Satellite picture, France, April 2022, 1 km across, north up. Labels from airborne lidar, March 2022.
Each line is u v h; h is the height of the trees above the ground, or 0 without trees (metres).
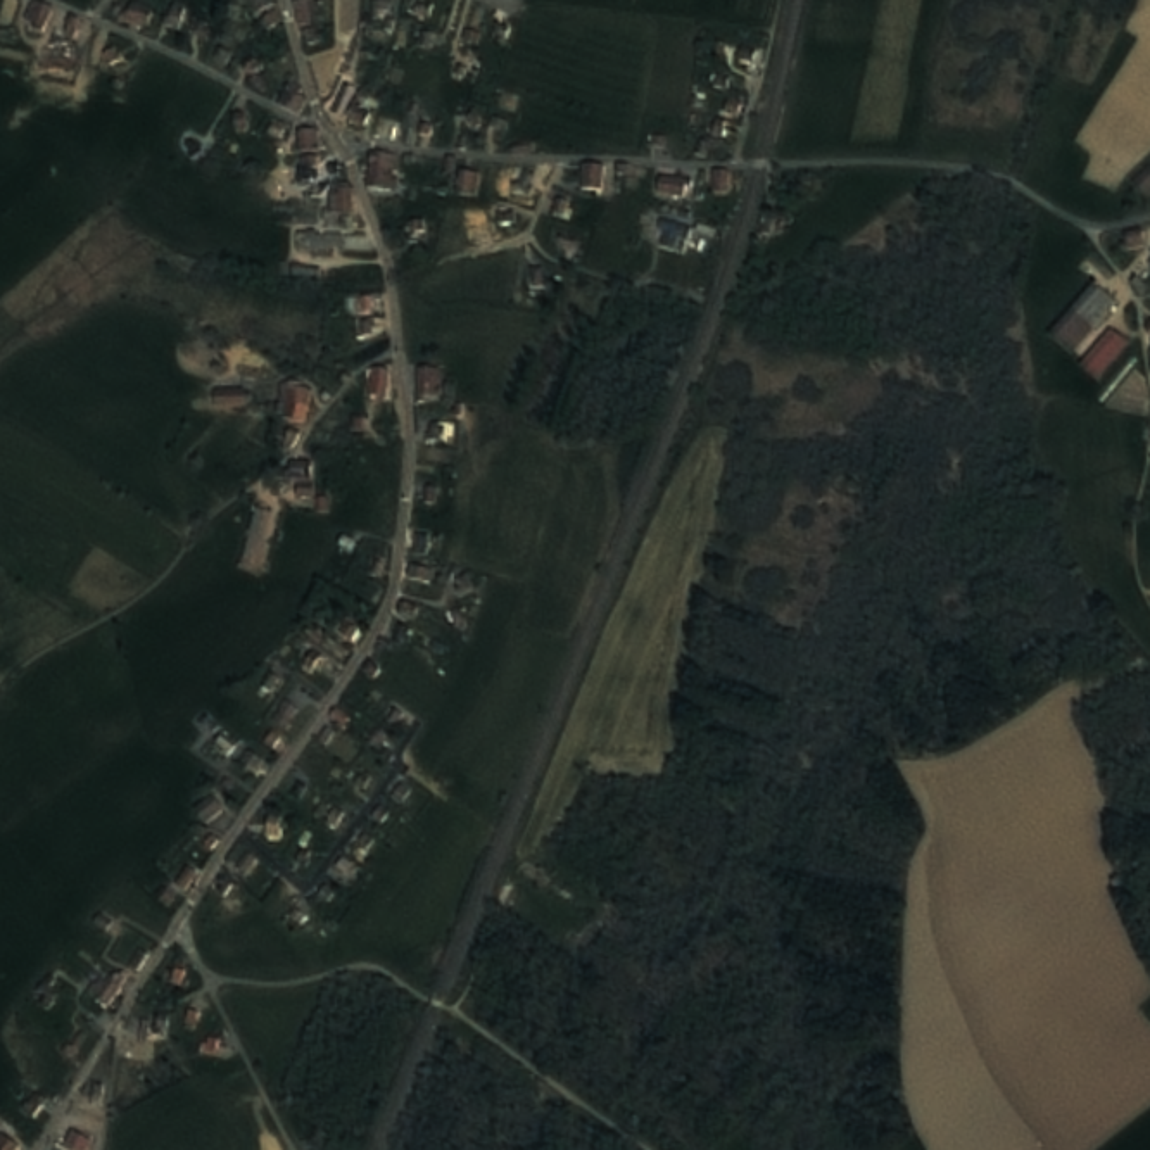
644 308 7
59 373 0
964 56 0
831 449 7
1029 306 0
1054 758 0
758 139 0
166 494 0
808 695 7
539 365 19
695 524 0
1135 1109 0
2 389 0
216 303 0
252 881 0
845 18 0
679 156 0
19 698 0
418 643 0
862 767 16
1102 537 0
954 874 0
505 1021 16
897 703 18
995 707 23
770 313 17
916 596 10
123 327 0
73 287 0
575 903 0
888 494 18
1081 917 0
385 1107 10
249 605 0
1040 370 0
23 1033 0
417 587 0
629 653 0
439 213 0
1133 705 14
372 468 0
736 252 0
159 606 0
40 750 0
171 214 0
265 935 0
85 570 0
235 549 0
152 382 0
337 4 0
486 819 0
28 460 0
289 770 0
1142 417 0
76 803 0
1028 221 12
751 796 6
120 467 0
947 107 0
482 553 0
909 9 0
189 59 0
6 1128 0
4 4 0
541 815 0
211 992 0
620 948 7
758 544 0
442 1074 21
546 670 0
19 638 0
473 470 0
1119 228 0
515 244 0
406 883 0
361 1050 17
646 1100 10
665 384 14
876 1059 0
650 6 0
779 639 13
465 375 0
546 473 0
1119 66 0
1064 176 0
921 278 24
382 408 0
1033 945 0
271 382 0
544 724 0
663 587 0
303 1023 0
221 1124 0
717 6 0
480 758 0
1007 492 17
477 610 0
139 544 0
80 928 0
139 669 0
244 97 0
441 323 0
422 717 0
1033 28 0
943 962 0
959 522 13
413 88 0
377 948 0
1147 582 0
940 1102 0
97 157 0
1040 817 0
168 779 0
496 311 0
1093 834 0
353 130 0
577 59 0
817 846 22
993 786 0
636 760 0
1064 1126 0
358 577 0
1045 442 0
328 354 6
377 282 0
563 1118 21
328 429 0
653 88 0
